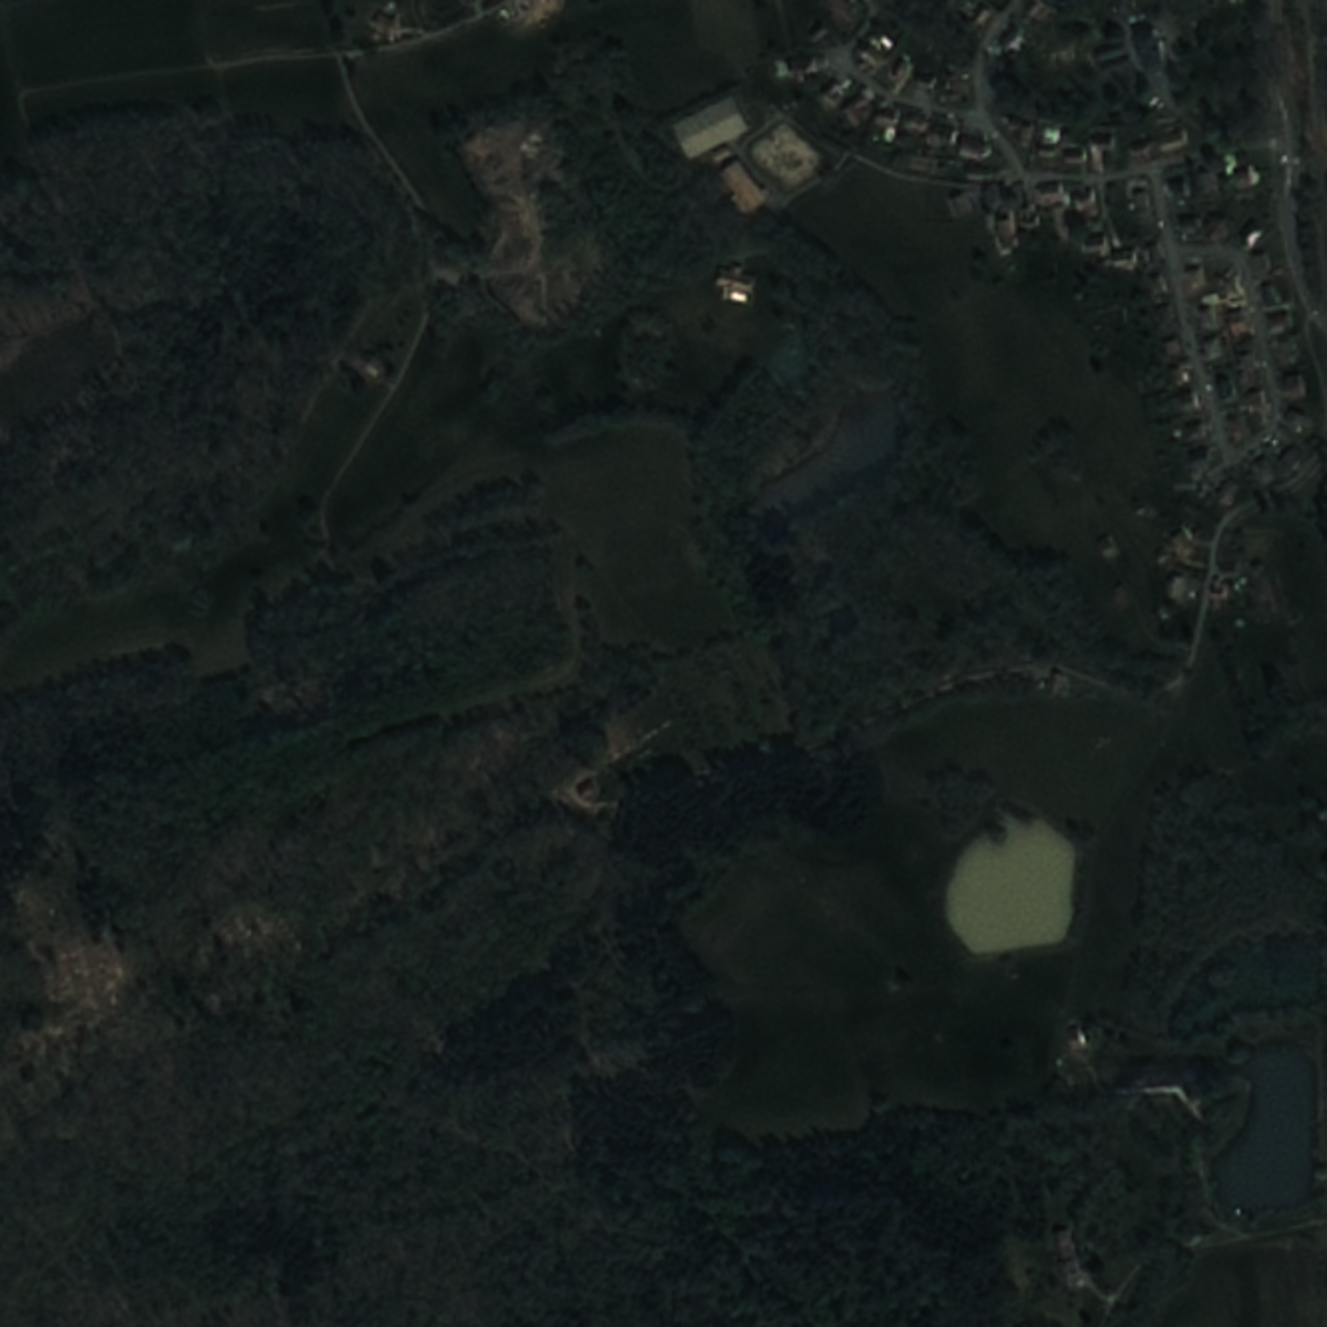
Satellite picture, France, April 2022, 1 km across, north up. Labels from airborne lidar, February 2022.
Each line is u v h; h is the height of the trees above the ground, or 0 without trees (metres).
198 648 0
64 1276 20
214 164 19
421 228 15
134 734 12
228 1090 14
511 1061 31
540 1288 19
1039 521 0
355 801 12
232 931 0
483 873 23
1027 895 0
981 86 0
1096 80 15
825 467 0
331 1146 14
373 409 0
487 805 23
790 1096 0
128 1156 22
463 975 27
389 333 0
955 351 0
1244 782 0
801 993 0
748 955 0
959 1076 0
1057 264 0
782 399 18
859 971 0
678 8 0
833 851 0
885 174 0
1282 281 0
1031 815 0
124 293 26
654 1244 18
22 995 22
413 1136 18
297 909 17
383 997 25
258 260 24
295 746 20
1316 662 0
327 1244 17
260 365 23
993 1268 23
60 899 0
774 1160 11
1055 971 0
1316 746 0
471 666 20
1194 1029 0
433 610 22
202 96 0
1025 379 0
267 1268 17
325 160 23
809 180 0
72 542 23
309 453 0
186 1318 19
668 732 0
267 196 27
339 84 0
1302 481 0
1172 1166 24
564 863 24
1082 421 0
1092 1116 20
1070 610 21
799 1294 10
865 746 26
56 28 0
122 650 0
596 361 0
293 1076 22
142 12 0
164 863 16
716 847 25
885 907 0
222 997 14
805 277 20
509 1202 19
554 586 12
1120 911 0
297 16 0
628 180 8
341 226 25
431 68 0
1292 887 23
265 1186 17
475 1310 24
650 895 24
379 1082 19
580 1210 23
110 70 0
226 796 18
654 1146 32
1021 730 0
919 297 0
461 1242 20
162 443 23
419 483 0
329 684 21
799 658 22
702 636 0
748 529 24
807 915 0
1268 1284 0
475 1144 9
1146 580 0
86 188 21
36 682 0
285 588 0
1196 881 23
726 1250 24
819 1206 30
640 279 16
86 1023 0
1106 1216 22
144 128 19
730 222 22
